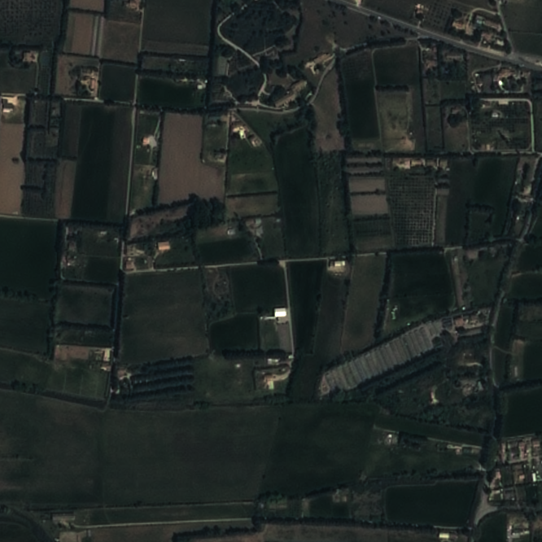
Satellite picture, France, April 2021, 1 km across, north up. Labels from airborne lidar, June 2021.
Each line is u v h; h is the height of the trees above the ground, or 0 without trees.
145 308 0
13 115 0
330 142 0
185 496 0
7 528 0
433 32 0
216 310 18
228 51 20
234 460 0
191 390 14
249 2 19
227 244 0
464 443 0
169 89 0
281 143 0
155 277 0
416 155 8
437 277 0
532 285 0
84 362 0
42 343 0
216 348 0
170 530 0
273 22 7
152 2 0
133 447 0
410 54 0
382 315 13
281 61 10
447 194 0
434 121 0
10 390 6
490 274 0
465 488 0
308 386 0
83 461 0
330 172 6
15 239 0
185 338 0
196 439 0
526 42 0
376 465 0
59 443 0
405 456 0
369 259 0
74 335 0
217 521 0
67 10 8
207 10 0
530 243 22
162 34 0
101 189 0
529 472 0
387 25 12
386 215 6
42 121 0
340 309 0
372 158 7
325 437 0
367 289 0
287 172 0
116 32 0
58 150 6
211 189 0
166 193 0
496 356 0
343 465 0
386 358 0
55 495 0
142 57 12
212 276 0
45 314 0
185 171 0
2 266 0
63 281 14
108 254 0
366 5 0
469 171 0
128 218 13
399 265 0
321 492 10
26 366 0
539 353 0
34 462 0
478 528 14
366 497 0
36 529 6
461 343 7
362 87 0
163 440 0
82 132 0
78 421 0
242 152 0
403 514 0
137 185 0
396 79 0
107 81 0
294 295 0
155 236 6
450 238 0
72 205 0
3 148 0
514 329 7
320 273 0
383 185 0
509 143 22
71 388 0
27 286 0
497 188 0
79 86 10
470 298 13
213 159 0
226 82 15
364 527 14
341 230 0
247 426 0
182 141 0
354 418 0
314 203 0
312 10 0
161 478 0
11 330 0
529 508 15
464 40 11
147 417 0
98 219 0
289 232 0
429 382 7
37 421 0
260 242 10
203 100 8
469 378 16
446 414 16
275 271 0
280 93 16
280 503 12
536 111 5
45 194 12
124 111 0
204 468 0
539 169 8
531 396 0
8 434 0
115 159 0
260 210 0
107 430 0
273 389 0
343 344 0
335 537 0
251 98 12
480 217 0
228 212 18
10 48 13
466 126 0
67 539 0
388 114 0
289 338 0
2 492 0
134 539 0
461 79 12
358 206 0
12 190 0
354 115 0
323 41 0
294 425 0
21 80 0
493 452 22
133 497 0
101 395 0
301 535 0
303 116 14
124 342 0
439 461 0
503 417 21
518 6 0
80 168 0
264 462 0
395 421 0
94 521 0
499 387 7
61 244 16
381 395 17
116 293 12
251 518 0
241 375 0
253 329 0
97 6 0
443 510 0
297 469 0
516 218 6
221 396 0
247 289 0
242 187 0
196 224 21
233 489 0
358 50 13
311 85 9
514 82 8
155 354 0
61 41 12
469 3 0
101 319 0
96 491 0
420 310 0
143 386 13
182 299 0
